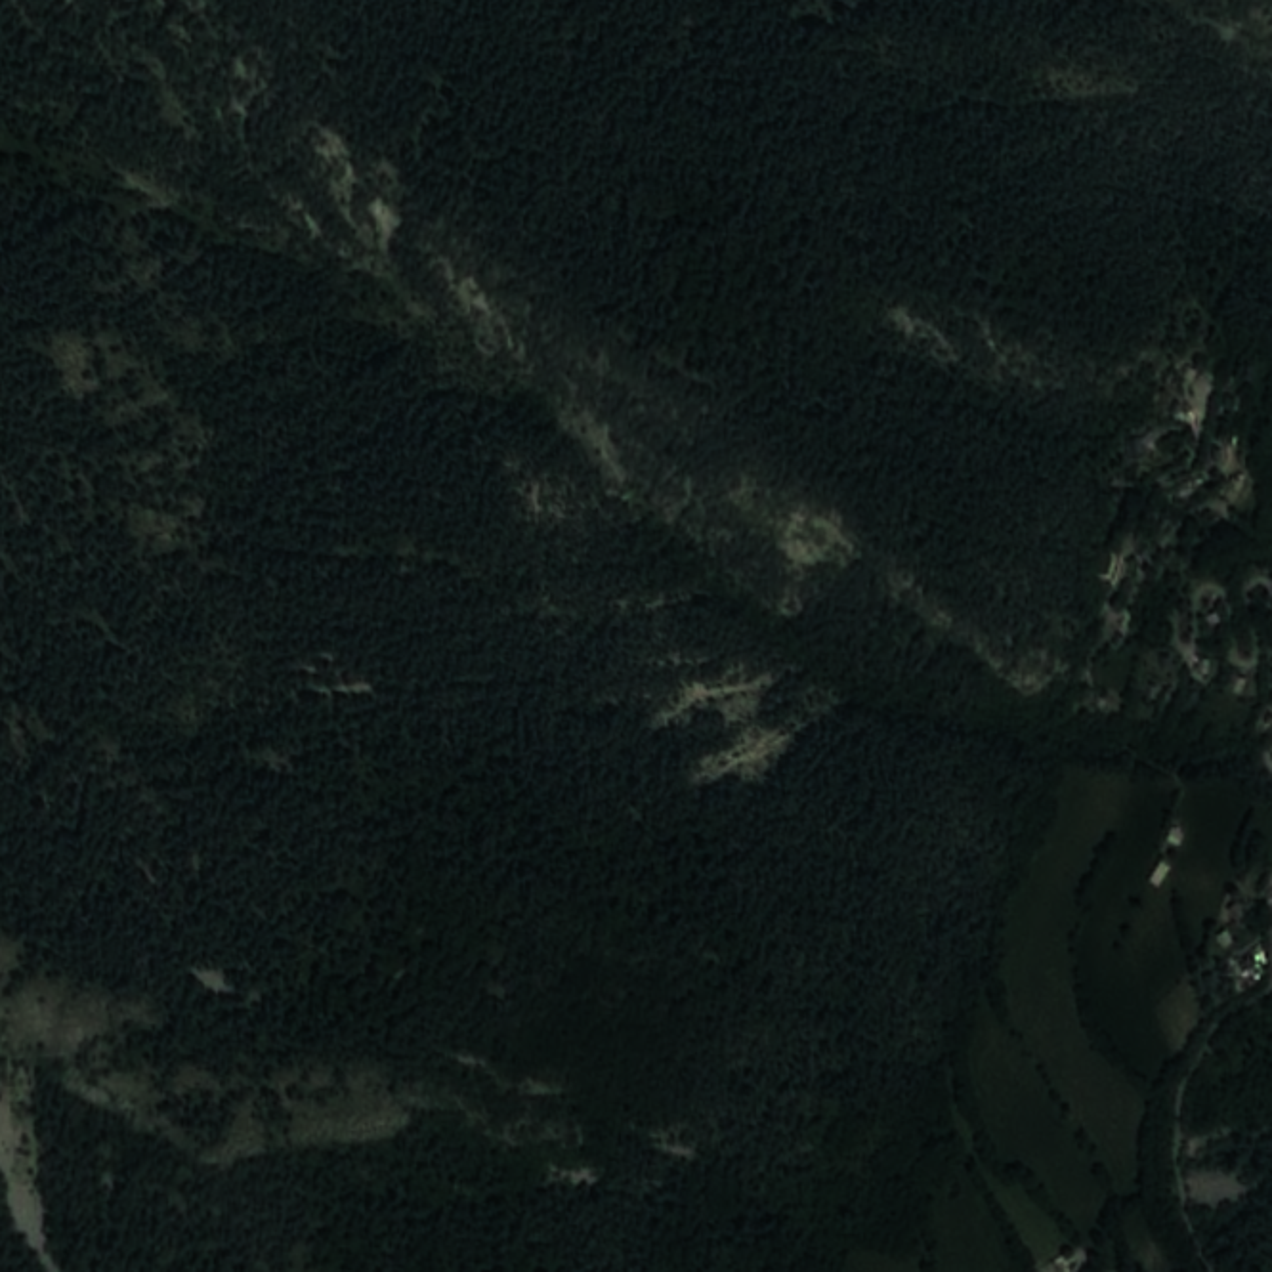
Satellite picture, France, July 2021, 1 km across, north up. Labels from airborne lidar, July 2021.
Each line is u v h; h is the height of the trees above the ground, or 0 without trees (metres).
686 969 18
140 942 25
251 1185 16
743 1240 21
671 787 18
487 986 7
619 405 8
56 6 15
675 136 26
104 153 9
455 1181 28
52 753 24
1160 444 6
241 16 13
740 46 22
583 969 14
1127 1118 0
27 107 13
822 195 21
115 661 19
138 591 17
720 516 7
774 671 8
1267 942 7
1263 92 8
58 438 17
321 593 26
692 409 14
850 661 14
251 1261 13
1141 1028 0
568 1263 18
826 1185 14
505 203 16
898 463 18
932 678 7
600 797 18
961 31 19
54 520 19
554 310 11
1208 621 10
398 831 11
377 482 19
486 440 21
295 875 17
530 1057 13
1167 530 8
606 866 22
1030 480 21
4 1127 0
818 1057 15
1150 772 11
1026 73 10
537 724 21
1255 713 6
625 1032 13
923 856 12
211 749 25
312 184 6
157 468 7
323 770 19
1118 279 10
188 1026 23
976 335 8
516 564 9
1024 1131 0
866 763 25
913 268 16
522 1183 13
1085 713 10
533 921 14
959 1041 15
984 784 15
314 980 9
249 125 10
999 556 12
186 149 9
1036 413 14
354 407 13
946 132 25
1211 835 0
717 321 13
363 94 19
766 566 7
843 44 12
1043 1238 0
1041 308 8
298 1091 12
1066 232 21
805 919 12
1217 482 11
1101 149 10
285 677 9
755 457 8
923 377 22
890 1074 22
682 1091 15
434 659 15
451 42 29
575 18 22
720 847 15
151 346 11
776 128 23
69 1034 0
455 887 21
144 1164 17
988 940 14
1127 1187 0
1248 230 19
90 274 13
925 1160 17
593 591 9
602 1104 11
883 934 18
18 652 15
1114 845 13
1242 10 7
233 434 24
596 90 25
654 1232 21
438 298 8
